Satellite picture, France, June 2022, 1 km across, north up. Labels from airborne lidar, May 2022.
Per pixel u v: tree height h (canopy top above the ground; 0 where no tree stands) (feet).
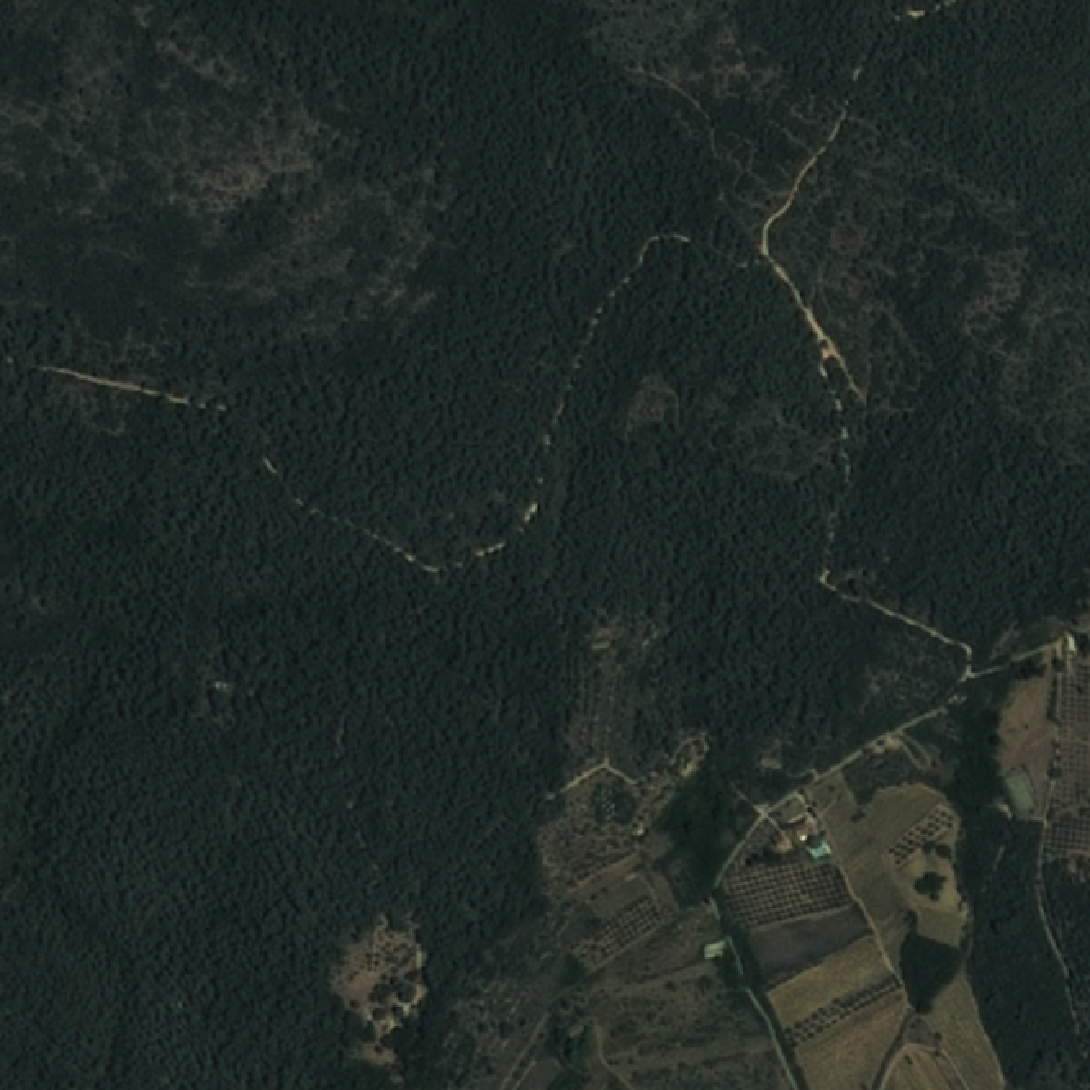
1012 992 23
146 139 18
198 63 28
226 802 45
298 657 65
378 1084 31
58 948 54
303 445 49
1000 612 61
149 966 38
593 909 0
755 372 43
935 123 52
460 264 22
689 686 26
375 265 20
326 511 24
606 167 52
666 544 56
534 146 55
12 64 18
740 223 47
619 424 45
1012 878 25
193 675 25
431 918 54
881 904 0
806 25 51
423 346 47
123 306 18
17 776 74
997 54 22
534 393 45
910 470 55
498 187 60
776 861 23
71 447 20
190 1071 47
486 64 57
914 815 0
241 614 40
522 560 53
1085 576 29
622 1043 0
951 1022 0
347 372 19
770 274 40
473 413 56
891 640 19
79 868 56
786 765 24
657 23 0
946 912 0
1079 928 25
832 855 0
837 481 40
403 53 34
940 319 20
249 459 44
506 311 55
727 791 20
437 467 49
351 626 68
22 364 50
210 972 54
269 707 62
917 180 30
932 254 25
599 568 67
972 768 25
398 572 22
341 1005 35
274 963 40
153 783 41
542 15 31
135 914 53
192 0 50
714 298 48
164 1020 45
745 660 49
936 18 40
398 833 38
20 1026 59
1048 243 37
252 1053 48
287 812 46
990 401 24
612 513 66
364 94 50
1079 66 22
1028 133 32
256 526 50
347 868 42
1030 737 0
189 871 59
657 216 55
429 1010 52
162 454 52
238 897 39
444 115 50
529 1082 0
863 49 35
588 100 59
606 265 48
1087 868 23
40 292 18
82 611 22
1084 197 26
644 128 54
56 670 23
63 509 47
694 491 52
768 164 21
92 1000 36
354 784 45
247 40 49
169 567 52
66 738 44
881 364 19
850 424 45
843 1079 0
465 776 53
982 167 34
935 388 24
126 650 48
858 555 28
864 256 19
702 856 20
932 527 22
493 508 47
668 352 49
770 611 35
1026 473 49
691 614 73
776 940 0
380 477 60
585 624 55
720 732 23
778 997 0
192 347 52
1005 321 29
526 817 59
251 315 22
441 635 60
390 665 58
